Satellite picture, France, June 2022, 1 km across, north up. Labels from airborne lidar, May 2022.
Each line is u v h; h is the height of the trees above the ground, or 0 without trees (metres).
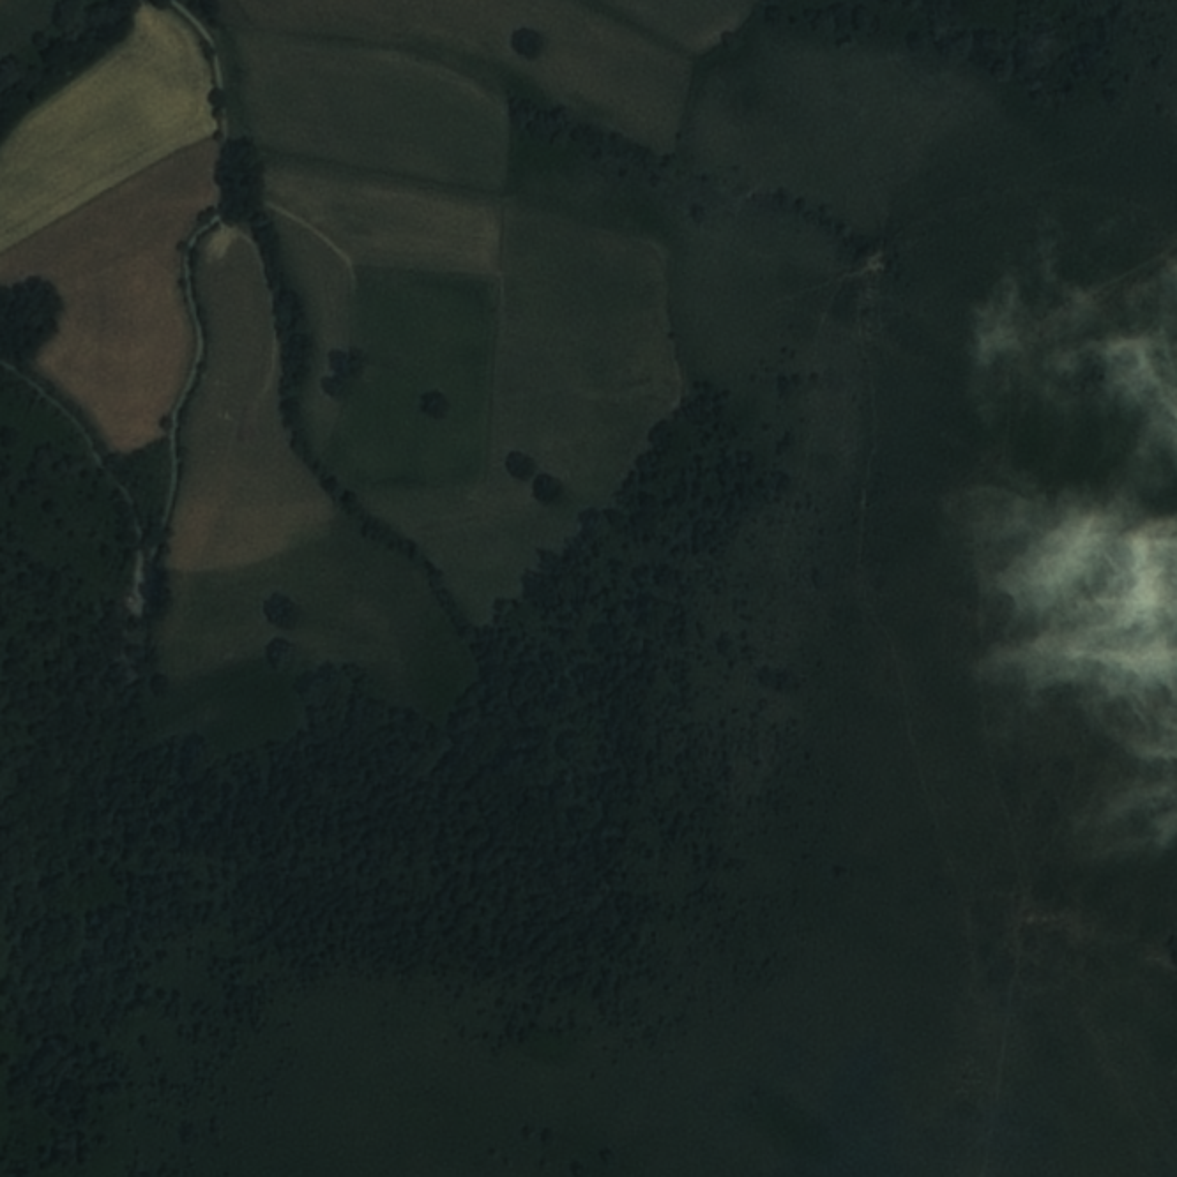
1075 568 0
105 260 0
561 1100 0
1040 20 10
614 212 0
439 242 0
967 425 0
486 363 0
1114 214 0
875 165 0
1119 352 0
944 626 0
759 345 0
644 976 6
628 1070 0
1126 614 0
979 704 0
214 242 0
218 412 0
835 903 0
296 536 0
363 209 0
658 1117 0
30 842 22
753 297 0
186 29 0
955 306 0
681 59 0
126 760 6
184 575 0
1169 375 0
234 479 0
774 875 0
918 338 0
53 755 15
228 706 0
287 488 0
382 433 0
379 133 0
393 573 0
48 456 13
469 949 9
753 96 0
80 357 0
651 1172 0
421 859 9
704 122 0
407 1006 0
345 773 11
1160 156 0
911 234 0
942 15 18
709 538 12
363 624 0
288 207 0
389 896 7
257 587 0
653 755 8
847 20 16
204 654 0
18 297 16
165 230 0
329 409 0
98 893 0
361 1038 0
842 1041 0
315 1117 0
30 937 20
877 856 0
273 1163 0
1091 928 0
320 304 0
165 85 0
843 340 0
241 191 30
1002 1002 0
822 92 0
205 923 7
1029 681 0
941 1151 0
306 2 0
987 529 0
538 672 14
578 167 0
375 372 0
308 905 8
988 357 0
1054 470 0
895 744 0
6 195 0
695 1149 0
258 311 0
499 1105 0
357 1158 0
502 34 0
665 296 0
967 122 0
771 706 7
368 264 0
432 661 0
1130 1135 0
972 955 0
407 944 9
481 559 0
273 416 0
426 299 0
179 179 0
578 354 0
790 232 0
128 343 0
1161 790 0
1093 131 0
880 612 0
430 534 0
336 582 0
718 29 0
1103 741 0
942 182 0
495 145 0
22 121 0
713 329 0
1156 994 0
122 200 0
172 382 0
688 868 0
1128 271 0
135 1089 7
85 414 7
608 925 10
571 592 9
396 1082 0
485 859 13
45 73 9
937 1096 0
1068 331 0
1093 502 0
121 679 25
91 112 0
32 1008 15
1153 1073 0
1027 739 0
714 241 0
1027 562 0
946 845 0
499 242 0
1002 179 0
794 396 8
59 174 0
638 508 6
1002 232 0
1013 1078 0
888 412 0
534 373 0
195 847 15
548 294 0
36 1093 9
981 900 0
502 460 0
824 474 0
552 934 13
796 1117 0
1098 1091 0
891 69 0
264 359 0
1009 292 0
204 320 7
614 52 0
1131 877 0
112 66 0
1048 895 0
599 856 14
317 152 0
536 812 27
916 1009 0
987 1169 0
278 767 10
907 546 0
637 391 0
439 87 0
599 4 0
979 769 0
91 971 22
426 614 0
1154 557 0
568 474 0
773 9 10
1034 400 0
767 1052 0
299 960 7
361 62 0
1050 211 0
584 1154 0
